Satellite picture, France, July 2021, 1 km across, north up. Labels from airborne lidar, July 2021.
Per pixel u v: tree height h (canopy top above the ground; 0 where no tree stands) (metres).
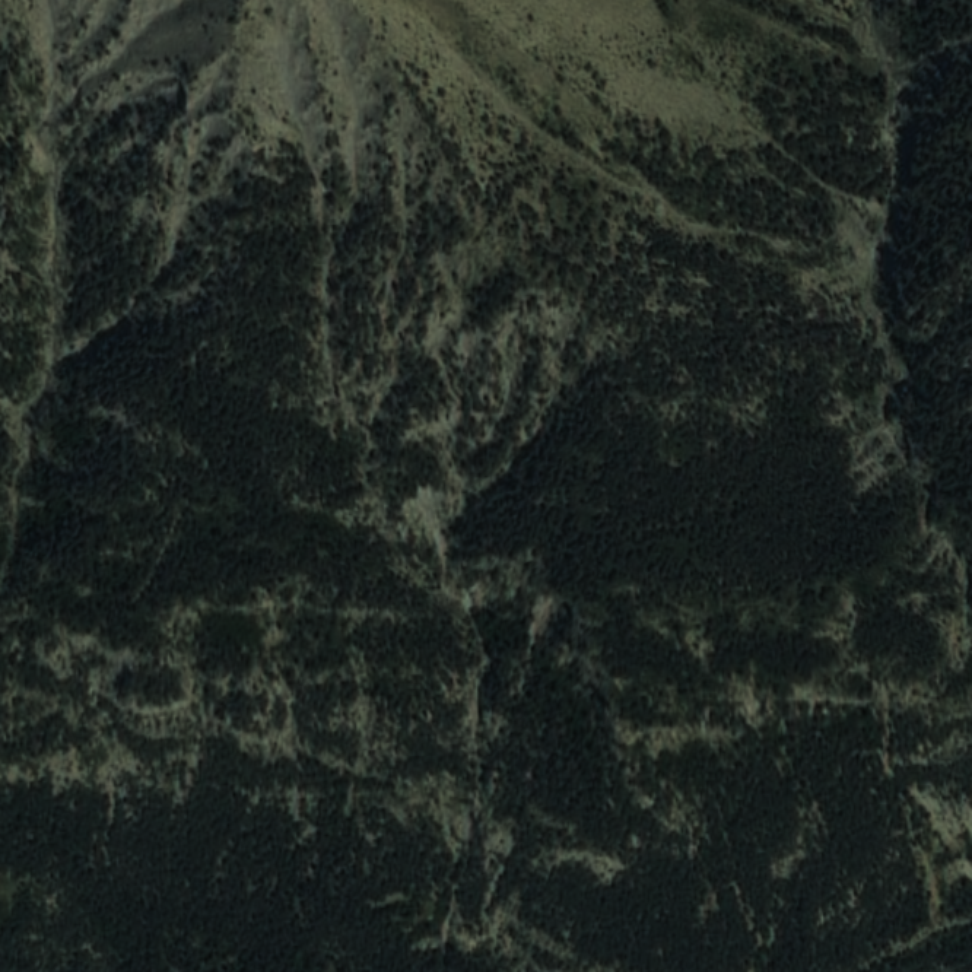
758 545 10
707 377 6
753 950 7
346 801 7
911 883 8
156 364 16
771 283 10
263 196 14
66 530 12
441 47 0
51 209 0
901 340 7
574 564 11
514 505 8
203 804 9
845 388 9
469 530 11
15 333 9
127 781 6
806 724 12
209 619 6
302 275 11
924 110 9
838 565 8
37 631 13
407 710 6
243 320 8
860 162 10
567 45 0
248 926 12
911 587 12
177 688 8
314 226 9
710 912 8
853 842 12
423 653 9
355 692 11
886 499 14
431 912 0
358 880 12
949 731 9
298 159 14
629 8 0
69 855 14
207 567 8
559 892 9
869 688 7
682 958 8
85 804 11
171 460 13
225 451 7
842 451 15
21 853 9
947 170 9
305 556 11
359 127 0
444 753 9
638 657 12
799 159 5
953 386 11
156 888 11
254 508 9
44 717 9
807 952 13
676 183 8
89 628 9
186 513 9
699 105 0
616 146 10
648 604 7
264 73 0
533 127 0
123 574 7
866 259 0
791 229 9
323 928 9
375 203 8
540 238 10
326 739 11
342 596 11
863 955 8
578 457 8
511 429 10
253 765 12
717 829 11
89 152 9
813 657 14
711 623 10
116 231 9
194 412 11
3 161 11
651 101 0
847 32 10
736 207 8
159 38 0
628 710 7
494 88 0
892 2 7
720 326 13
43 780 7
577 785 13
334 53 0
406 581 6
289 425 13
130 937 13
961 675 9
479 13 0
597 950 11
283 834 10
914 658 7
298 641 8
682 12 0
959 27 10
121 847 10
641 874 8
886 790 14
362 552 13
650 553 9
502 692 13
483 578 5
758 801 10
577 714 10
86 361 8
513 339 11
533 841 9
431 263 6
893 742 13
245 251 9
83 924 7
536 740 12
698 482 11
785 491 13
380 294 8
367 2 0
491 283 11
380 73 0
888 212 0
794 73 10
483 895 9
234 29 0
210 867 13
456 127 6
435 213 8
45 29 0
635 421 9
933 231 7
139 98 0
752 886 9
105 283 9
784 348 9
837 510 16
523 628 6
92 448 14
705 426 8
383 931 11
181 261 7
